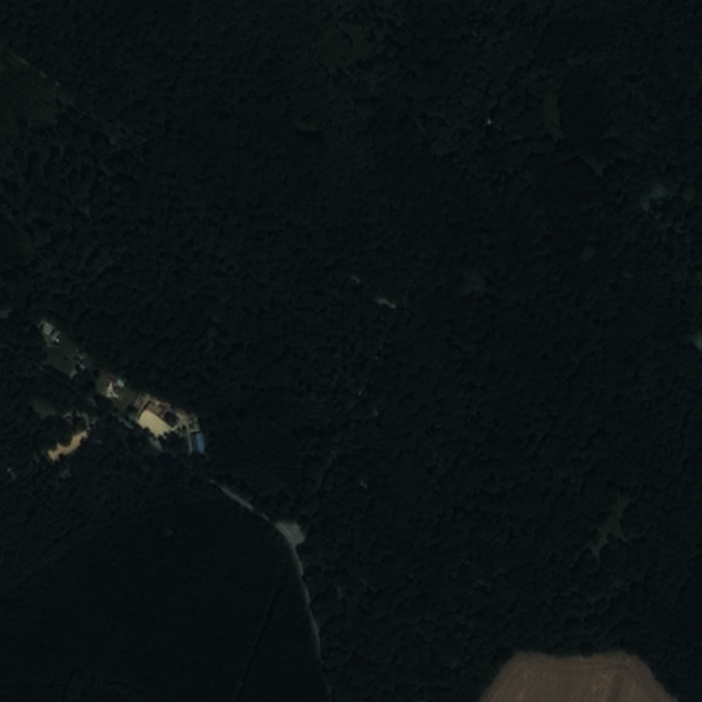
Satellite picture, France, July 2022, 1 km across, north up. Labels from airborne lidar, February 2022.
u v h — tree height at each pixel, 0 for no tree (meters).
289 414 5
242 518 13
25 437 19
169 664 15
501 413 29
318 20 20
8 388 16
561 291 24
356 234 28
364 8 8
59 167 23
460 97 20
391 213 23
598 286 28
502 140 20
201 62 19
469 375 22
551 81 29
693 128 26
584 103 19
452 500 23
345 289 25
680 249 22
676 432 24
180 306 24
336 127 20
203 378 25
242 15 20
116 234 19
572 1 24
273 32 16
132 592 14
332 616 23
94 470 33
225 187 23
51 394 25
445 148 25
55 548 20
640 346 29
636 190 26
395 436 27
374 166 24
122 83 26
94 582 16
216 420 25
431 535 25
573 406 27
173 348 24
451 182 28
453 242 25
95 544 18
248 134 25
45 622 16
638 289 27
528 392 30
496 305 27
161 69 22
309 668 15
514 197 30
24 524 20
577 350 27
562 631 14
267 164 28
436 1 28
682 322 15
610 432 31
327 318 24
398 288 20
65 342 0
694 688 18
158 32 23
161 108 23
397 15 24
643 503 25
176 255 18
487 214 29
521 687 0
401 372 23
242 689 7
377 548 27
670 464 27
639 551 23
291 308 17
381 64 27
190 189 28
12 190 27
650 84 31
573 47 20
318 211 23
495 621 25
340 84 26
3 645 17
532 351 29
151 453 27
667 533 23
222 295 23
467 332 28
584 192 20
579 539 24
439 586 29
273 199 22
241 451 6
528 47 24
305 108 21
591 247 35
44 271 25
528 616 26
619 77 29
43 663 15
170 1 25
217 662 15
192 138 26
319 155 23
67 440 19
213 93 21
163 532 13
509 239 30
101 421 18
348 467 21
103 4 25
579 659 0
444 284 26
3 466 18
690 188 32
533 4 26
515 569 30
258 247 21
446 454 23
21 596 18
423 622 24
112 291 23
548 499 29
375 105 20
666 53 25
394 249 24
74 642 15
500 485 23
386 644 28
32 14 28
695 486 30
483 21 28
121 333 29
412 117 26
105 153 24
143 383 27
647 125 24
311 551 21
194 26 20
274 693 15
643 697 0
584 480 24
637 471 17
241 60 19
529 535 30
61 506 19
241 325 25
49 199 25
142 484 25
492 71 22
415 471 25
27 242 0
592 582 18
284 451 5
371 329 22
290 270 24
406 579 25
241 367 25
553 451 25
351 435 23
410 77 32
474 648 25
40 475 22
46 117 0
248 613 14
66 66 22
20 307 14
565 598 22
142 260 21
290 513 12
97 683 12
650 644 18
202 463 26
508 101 24
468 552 24
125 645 14
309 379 7
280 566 14
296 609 17
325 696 17
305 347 24
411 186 27
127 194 22
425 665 30
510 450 27
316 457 22
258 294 21
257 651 16
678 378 25
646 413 28
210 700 16
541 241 23
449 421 26
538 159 22
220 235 20
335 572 23
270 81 18
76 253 9
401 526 29
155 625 13
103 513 21
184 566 14
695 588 20
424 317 23
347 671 20
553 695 0
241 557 16
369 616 28
